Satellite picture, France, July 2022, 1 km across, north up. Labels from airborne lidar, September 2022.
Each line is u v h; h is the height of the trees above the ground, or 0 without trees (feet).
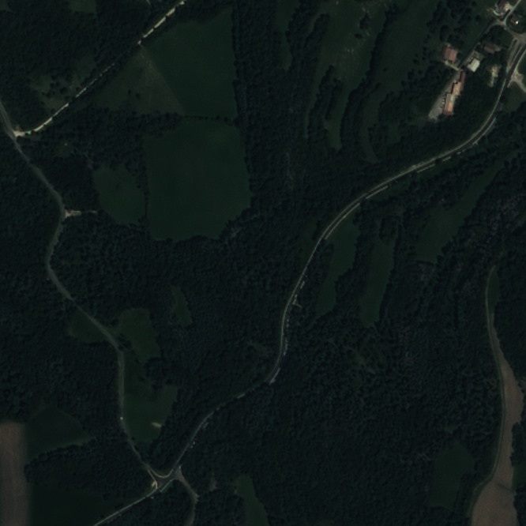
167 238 0
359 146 35
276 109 67
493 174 0
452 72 32
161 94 0
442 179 82
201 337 83
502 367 0
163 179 0
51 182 39
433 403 82
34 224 33
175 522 44
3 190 80
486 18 0
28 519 0
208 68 0
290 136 27
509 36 0
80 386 82
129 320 0
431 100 19
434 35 38
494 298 0
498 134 46
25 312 83
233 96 0
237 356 86
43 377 76
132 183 0
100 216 45
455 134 25
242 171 0
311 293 63
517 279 75
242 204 0
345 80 0
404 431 60
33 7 49
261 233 64
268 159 79
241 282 65
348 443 42
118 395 53
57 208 40
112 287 72
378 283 0
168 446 60
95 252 33
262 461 56
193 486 27
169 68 0
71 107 48
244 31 91
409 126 46
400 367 52
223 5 64
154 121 58
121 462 69
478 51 31
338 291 54
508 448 0
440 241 0
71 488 89
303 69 26
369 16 48
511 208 94
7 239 37
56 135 60
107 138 59
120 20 61
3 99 26
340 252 0
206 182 0
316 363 49
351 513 52
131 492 75
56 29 48
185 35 0
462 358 92
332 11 0
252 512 0
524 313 55
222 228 0
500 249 77
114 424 83
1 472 0
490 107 30
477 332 43
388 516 52
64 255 19
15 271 41
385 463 36
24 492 0
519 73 0
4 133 33
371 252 62
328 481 32
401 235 55
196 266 71
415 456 63
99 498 0
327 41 0
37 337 50
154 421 0
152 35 24
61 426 0
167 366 91
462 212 0
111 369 54
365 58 0
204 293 77
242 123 95
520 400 0
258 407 98
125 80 0
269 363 73
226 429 67
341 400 64
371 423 64
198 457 40
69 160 33
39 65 32
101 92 68
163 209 0
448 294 75
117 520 22
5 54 37
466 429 76
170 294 82
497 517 0
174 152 0
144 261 72
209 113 0
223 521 76
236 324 58
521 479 0
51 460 79
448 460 0
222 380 58
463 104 30
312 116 44
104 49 68
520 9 0
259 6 60
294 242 59
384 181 31
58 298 31
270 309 45
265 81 63
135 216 0
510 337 73
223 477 40
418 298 69
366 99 33
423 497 43
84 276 46
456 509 33
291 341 55
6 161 29
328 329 50
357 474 30
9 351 54
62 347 72
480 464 45
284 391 78
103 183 0
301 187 35
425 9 0
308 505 55
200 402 51
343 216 0
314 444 44
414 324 76
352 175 61
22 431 0
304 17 57
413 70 23
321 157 39
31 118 27
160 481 0
